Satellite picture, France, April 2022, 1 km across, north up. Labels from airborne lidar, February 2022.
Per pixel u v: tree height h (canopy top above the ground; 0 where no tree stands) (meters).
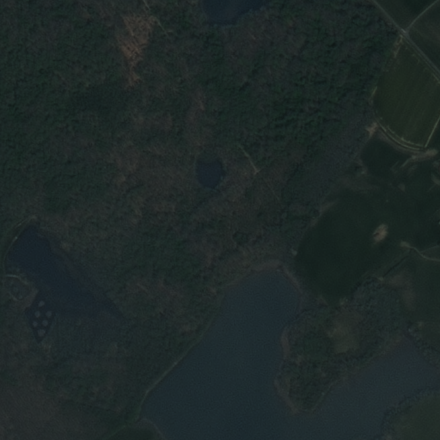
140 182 8
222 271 28
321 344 20
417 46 0
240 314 0
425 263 0
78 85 30
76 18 29
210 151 17
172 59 25
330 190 16
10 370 25
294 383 8
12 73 26
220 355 0
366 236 0
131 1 31
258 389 0
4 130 27
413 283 0
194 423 0
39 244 0
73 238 24
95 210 20
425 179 0
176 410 0
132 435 0
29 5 24
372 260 0
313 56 27
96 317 0
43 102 28
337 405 0
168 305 31
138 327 17
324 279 0
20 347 31
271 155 25
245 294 0
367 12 27
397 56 0
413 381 0
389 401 0
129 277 26
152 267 27
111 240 20
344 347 0
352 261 0
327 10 31
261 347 0
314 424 0
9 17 27
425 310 0
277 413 0
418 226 0
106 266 22
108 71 20
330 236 0
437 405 0
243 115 23
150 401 0
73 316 0
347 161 22
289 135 29
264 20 29
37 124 27
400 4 0
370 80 15
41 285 0
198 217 27
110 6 32
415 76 0
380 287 8
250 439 0
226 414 0
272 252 15
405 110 0
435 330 0
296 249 21
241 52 29
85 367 29
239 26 27
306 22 28
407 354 0
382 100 0
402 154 0
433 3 0
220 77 28
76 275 0
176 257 28
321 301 0
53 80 22
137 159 16
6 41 21
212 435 0
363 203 0
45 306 0
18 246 0
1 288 27
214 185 0
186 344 22
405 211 0
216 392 0
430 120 0
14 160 27
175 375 0
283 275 0
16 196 27
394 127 0
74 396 27
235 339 0
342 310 0
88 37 24
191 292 26
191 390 0
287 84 30
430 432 0
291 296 0
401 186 0
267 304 0
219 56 25
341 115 28
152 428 6
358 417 0
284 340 0
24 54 25
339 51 26
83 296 0
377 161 0
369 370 0
